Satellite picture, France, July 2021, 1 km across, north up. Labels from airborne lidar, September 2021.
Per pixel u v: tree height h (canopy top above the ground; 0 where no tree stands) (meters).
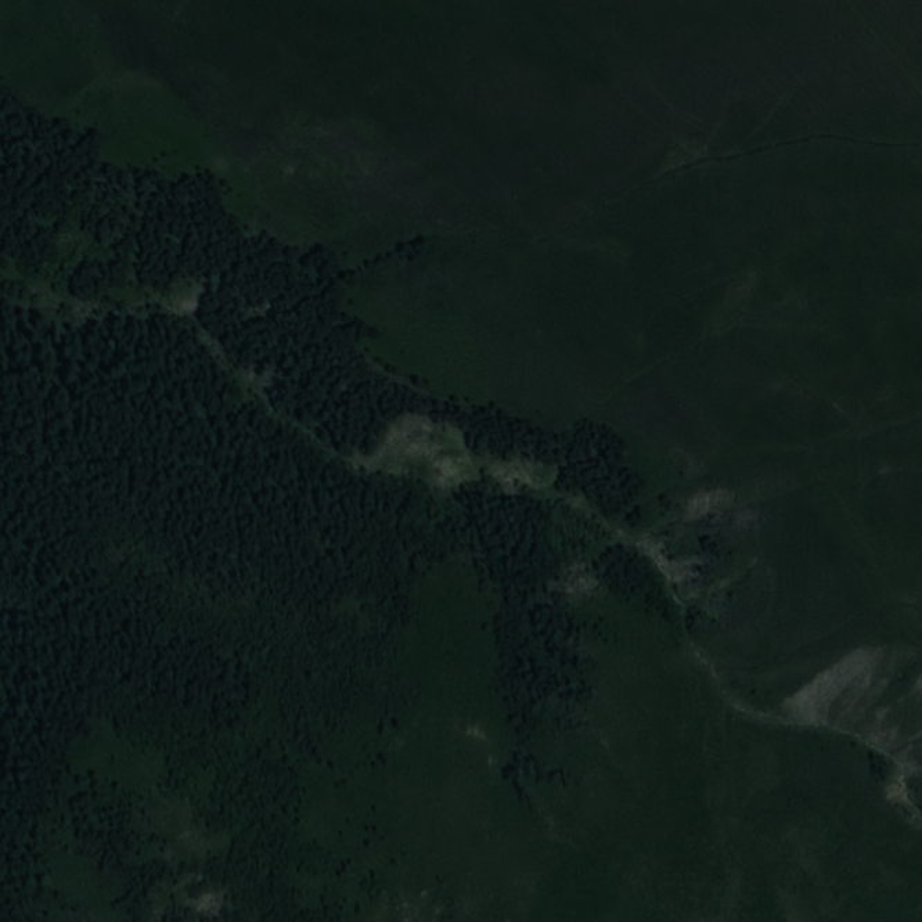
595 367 0
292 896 11
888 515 0
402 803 0
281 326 20
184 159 0
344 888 0
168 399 20
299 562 29
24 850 6
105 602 26
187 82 0
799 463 0
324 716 7
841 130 0
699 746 0
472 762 0
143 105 0
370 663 7
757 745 0
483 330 0
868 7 0
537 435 22
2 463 31
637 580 20
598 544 7
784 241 0
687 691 0
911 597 0
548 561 16
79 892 0
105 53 0
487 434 22
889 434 0
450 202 0
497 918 0
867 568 0
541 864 0
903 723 0
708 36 0
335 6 0
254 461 24
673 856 0
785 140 0
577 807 0
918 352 0
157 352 22
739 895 0
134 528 9
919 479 0
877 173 0
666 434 0
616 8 0
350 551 23
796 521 0
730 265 0
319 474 24
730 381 0
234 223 19
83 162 26
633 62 0
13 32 0
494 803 0
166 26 0
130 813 8
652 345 0
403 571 10
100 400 26
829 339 0
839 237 0
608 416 0
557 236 0
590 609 0
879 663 0
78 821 10
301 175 0
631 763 0
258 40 0
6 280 9
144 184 30
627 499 18
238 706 20
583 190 0
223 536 21
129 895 8
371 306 0
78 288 27
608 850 0
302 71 0
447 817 0
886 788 0
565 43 0
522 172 0
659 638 0
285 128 0
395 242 0
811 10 0
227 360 6
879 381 0
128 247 24
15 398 27
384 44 0
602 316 0
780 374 0
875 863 0
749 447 0
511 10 0
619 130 0
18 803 21
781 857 0
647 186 0
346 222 0
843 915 0
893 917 0
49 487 30
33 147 28
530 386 0
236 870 7
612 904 0
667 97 0
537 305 0
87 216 13
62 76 0
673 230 0
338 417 33
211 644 11
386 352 0
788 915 0
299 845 11
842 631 0
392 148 0
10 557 26
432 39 0
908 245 0
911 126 0
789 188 0
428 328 0
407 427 0
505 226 0
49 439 20
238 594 15
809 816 0
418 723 0
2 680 18
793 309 0
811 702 0
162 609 17
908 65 0
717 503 0
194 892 9
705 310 0
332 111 0
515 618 12
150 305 13
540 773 9
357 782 0
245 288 23
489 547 21
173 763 13
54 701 25
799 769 0
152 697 13
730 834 0
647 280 0
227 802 10
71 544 23
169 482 23
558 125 0
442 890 7
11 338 26
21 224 17
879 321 0
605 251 0
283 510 33
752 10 0
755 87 0
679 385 0
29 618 20
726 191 0
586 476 25
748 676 0
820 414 0
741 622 0
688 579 0
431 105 0
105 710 11
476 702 0
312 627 13
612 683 0
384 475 7
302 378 22
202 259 29
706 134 0
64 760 14
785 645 0
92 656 26
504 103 0
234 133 0
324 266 18
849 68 0
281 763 12
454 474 0
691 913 0
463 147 0
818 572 0
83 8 0
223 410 20
